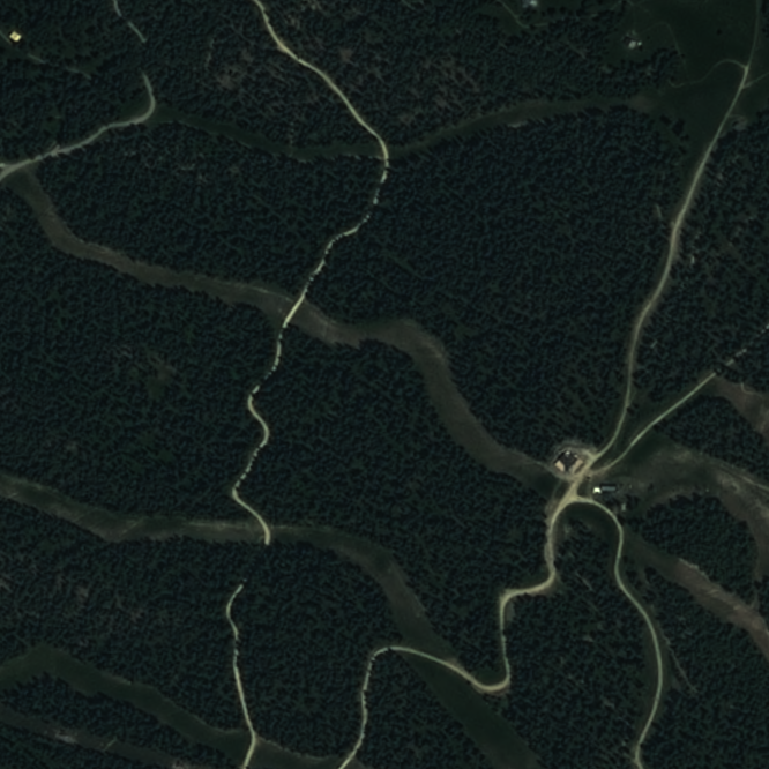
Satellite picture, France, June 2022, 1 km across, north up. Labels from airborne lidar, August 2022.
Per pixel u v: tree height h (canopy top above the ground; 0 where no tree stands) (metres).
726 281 24
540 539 18
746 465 8
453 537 14
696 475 0
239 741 0
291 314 0
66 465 19
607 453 0
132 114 0
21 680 0
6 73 19
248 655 12
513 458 0
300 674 19
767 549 0
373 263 21
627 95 18
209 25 20
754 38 0
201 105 19
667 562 0
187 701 17
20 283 17
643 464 0
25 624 10
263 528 0
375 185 23
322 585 20
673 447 0
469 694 0
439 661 0
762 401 0
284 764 0
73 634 17
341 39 18
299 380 15
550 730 15
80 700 24
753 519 0
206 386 19
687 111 0
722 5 0
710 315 22
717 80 0
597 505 0
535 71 22
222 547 21
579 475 0
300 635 20
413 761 20
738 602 0
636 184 20
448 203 21
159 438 11
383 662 17
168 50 25
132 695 0
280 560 26
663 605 20
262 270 18
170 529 0
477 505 21
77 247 0
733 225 20
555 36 12
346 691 15
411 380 17
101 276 19
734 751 17
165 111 0
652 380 17
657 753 23
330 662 15
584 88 19
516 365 18
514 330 26
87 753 19
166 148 19
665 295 0
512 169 17
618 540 0
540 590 0
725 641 11
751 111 0
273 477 22
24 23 26
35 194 0
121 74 17
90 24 18
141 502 19
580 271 19
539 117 0
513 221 20
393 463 14
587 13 19
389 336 0
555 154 25
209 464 25
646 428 0
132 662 20
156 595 20
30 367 17
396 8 24
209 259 19
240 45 21
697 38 0
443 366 0
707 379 0
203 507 22
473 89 22
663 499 0
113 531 0
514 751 0
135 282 18
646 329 0
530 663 13
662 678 0
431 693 20
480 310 22
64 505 0
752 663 14
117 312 21
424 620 0
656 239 9
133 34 24
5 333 22
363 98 24
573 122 27
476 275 15
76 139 23
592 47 15
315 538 0
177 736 25
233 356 22
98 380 21
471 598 20
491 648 10
